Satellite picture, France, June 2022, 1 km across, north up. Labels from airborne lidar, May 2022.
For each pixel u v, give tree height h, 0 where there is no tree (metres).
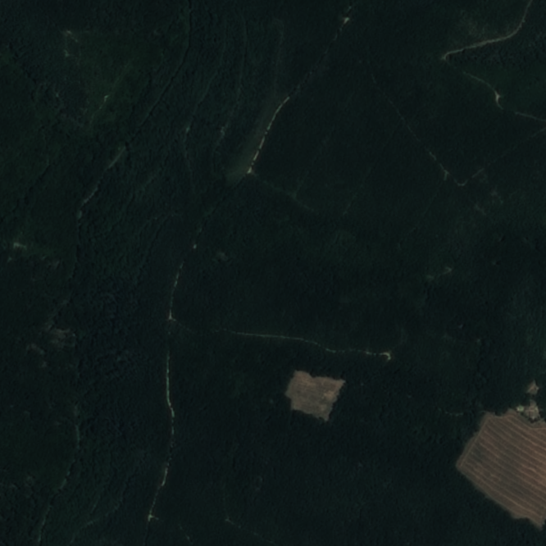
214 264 16
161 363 9
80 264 17
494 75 8
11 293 12
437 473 14
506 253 21
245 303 8
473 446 0
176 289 7
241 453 12
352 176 7
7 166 8
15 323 15
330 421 11
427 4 15
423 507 7
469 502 18
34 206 7
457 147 6
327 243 12
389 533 11
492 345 14
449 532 10
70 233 15
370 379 18
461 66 7
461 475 11
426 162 8
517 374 9
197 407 15
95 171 18
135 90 9
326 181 5
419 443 19
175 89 8
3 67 10
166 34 17
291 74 6
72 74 7
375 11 14
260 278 6
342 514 9
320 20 6
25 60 16
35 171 7
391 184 8
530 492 0
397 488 10
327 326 8
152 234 6
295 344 7
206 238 14
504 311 11
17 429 14
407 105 9
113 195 10
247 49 6
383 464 18
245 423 14
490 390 16
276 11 7
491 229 11
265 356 12
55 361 26
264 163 6
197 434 9
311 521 12
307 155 6
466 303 17
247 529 8
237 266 16
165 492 6
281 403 19
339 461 11
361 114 6
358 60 8
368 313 6
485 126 7
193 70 6
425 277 10
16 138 7
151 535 12
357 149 8
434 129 7
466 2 9
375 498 10
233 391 13
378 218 6
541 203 10
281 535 8
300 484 11
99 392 16
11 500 18
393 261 7
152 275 9
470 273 8
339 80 7
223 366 13
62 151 10
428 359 7
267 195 8
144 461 9
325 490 9
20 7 11
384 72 12
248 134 6
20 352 20
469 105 6
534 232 17
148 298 9
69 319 23
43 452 15
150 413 11
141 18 17
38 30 8
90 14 13
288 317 8
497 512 13
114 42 6
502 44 8
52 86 10
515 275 9
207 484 11
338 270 10
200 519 11
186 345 13
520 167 5
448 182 7
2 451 10
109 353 15
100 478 8
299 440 17
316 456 10
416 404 15
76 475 23
